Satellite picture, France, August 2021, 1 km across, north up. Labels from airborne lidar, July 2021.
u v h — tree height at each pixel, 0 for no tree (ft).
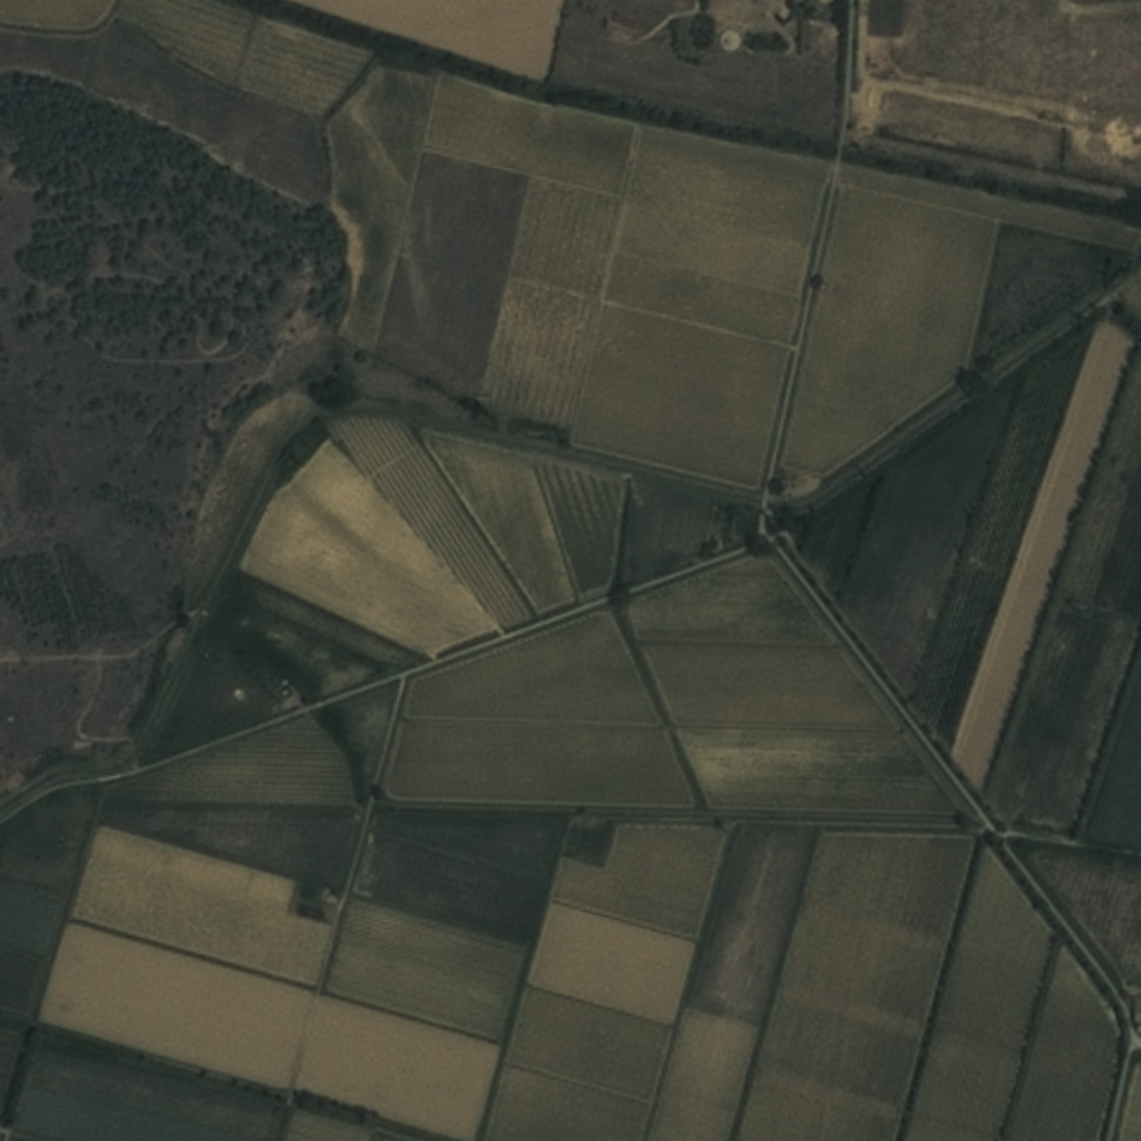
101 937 0
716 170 0
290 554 0
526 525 0
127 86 0
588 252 0
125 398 19
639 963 0
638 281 0
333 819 0
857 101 0
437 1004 0
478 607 0
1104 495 0
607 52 0
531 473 0
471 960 0
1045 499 0
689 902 0
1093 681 0
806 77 0
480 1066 0
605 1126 0
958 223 0
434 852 0
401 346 0
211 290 29
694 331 0
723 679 0
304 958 0
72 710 0
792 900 0
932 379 0
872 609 0
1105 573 0
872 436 0
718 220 0
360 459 0
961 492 0
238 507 0
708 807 0
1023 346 0
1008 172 0
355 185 0
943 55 0
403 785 0
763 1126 0
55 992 0
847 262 0
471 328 0
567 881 0
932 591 0
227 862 0
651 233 0
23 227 0
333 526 0
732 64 0
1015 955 0
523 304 0
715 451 0
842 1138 0
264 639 0
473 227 0
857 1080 0
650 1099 0
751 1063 0
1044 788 0
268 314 43
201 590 0
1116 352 0
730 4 0
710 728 0
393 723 0
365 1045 0
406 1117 0
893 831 0
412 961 0
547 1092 0
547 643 0
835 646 0
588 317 0
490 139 0
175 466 0
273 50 0
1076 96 0
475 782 0
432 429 0
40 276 47
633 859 0
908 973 0
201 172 52
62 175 48
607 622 0
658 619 0
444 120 0
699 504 0
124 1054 0
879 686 0
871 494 20
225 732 0
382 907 0
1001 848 52
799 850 0
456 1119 0
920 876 0
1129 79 0
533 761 0
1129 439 0
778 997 0
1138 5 0
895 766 0
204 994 0
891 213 0
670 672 0
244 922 0
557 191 0
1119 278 33
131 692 0
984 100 0
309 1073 0
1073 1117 0
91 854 0
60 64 0
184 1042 0
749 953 0
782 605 0
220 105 0
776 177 0
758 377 0
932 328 0
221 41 0
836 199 0
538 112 0
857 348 0
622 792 0
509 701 0
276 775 0
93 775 0
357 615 0
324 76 0
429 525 0
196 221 45
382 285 0
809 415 0
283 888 0
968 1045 0
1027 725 0
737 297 0
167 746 0
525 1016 0
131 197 41
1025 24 0
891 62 0
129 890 0
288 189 0
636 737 0
